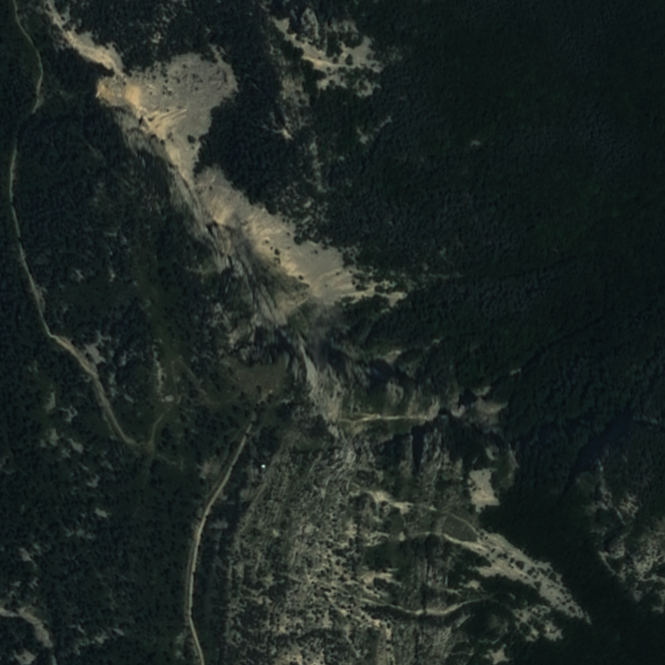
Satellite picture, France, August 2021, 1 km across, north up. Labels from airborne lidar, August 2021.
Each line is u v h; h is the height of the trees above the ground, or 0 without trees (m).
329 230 14
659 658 11
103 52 0
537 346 24
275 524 6
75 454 8
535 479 13
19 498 10
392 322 15
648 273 22
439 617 7
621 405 22
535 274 21
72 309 7
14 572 7
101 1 11
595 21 23
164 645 0
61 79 6
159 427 0
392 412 0
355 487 0
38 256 6
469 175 6
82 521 12
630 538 5
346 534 0
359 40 7
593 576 11
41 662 7
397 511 7
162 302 0
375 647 0
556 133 15
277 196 6
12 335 6
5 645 11
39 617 0
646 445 14
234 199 0
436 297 14
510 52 15
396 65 8
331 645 7
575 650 10
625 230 13
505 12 10
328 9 14
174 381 0
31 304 7
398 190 14
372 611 8
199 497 8
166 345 0
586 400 21
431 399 47
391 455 10
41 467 11
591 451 0
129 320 6
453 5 8
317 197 15
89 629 9
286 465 7
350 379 10
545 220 27
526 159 19
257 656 8
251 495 0
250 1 11
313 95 8
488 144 11
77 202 8
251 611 6
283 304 0
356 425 0
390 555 0
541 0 16
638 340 24
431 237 12
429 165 14
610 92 24
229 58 11
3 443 11
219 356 6
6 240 7
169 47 8
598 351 27
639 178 22
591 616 5
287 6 10
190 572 0
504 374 18
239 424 9
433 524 7
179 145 0
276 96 9
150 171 7
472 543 0
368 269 6
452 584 12
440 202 15
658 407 10
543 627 7
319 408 6
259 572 6
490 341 19
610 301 24
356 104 16
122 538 10
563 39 17
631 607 17
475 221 13
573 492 17
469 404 38
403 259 15
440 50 14
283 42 10
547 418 19
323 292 0
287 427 0
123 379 7
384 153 13
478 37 9
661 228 21
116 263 6
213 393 0
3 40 6
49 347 10
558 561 9
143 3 12
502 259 8
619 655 10
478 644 15
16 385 11
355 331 12
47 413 0
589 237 14
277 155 15
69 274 7
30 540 15
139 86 0
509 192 22
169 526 0
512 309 20
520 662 20
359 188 13
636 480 13
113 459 7
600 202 22
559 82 15
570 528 20
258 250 0
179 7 6
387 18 11
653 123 23
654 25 20
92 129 9
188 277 7
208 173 0
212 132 11
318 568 0
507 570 0
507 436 9
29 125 7
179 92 0
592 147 18
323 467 7
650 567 7
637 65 23
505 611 13
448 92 17
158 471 13
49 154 12
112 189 6
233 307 8
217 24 10
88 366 0
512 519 9
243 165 19
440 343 9
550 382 10
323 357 8
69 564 11
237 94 8
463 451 9
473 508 8
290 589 7
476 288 22
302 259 0
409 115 19
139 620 10
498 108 15
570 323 29
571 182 19
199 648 0
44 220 7
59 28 7
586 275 29
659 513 6
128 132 9
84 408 9
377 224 21
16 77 7
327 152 10
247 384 0
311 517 0
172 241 6
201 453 6
